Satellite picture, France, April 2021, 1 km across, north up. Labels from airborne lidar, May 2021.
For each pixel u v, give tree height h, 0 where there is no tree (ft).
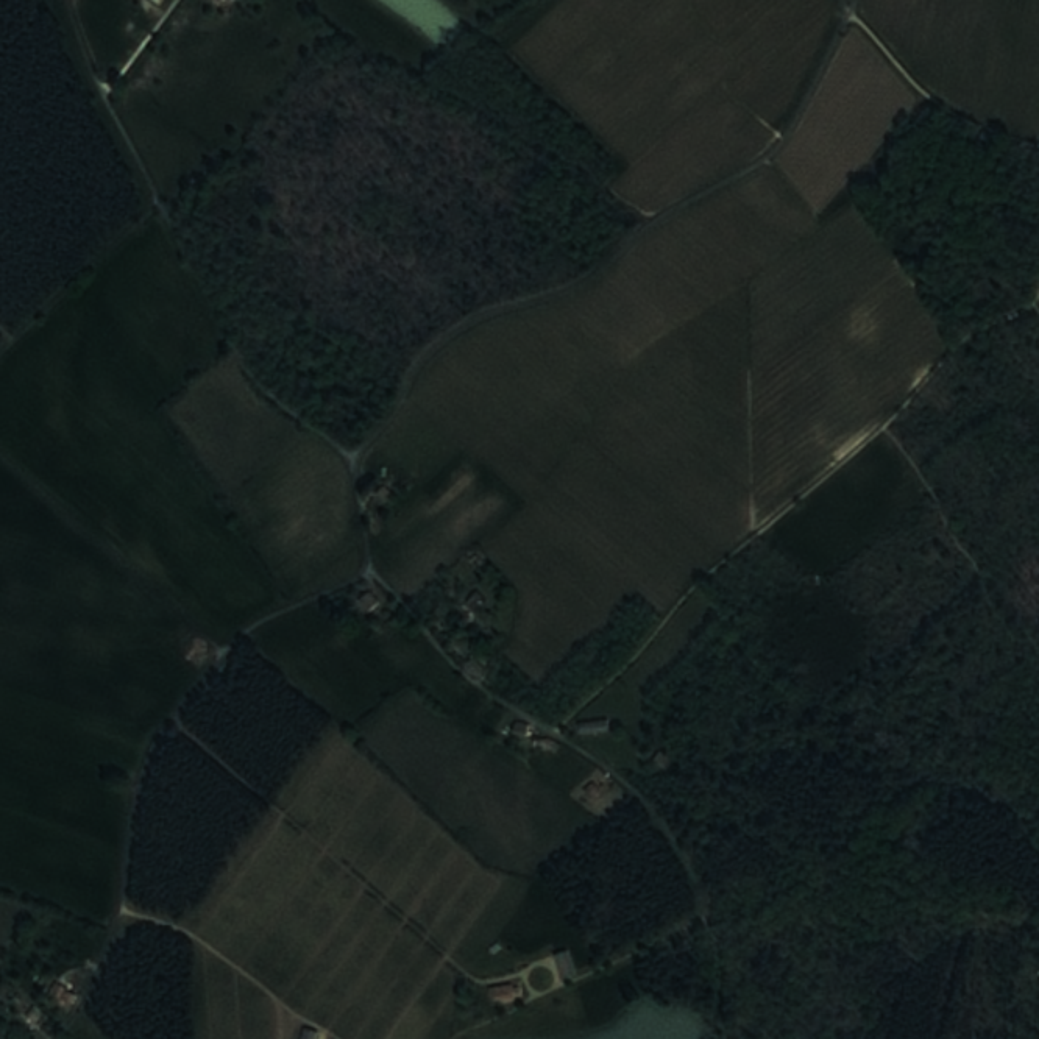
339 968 0
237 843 56
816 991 50
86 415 0
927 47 0
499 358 0
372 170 38
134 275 0
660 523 0
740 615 47
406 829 0
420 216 26
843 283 0
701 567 0
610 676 39
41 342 0
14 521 0
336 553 0
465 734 0
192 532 0
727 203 0
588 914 58
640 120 0
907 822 62
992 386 46
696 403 0
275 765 58
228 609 0
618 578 0
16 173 57
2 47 61
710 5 0
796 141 0
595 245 52
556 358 0
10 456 0
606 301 0
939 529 22
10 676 0
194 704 47
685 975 50
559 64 0
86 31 0
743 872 47
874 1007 45
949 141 67
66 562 0
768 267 0
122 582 0
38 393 0
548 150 66
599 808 0
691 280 0
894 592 19
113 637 0
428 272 46
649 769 49
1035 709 51
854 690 41
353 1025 0
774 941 24
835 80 0
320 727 57
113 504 0
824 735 27
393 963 0
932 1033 58
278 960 0
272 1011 0
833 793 65
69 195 59
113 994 55
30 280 51
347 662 0
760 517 0
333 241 32
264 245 46
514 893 0
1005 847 77
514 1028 0
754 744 38
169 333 0
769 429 0
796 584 22
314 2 0
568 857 47
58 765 0
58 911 37
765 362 0
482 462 0
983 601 64
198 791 56
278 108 45
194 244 41
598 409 0
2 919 0
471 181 24
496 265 31
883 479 0
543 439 0
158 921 0
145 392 0
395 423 0
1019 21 0
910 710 22
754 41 0
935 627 62
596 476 0
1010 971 26
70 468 0
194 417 0
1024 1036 68
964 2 0
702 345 0
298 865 0
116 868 0
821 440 0
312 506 0
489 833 0
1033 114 0
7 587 0
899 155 65
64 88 57
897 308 0
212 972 0
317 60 55
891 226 52
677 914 56
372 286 34
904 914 65
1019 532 35
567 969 0
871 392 0
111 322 0
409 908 0
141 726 0
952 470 45
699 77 0
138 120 0
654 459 0
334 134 32
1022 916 58
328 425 50
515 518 0
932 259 74
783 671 22
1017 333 37
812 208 0
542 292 29
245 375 24
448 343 0
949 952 60
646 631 39
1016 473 52
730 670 46
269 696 55
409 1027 0
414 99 36
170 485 0
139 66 0
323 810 0
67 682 0
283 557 0
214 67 0
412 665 0
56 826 0
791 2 0
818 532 0
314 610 0
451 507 0
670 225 0
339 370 52
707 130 0
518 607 0
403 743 0
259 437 0
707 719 50
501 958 0
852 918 65
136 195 51
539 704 35
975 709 56
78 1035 0
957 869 75
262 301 57
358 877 0
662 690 52
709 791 34
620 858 59
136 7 24
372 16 0
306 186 39
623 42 0
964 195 89
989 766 65
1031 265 51
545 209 46
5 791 0
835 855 66
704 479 0
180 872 47
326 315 40
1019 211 62
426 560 0
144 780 0
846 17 0
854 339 0
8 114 58
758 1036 39
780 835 26
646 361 0
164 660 0
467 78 60
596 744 0
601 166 36
